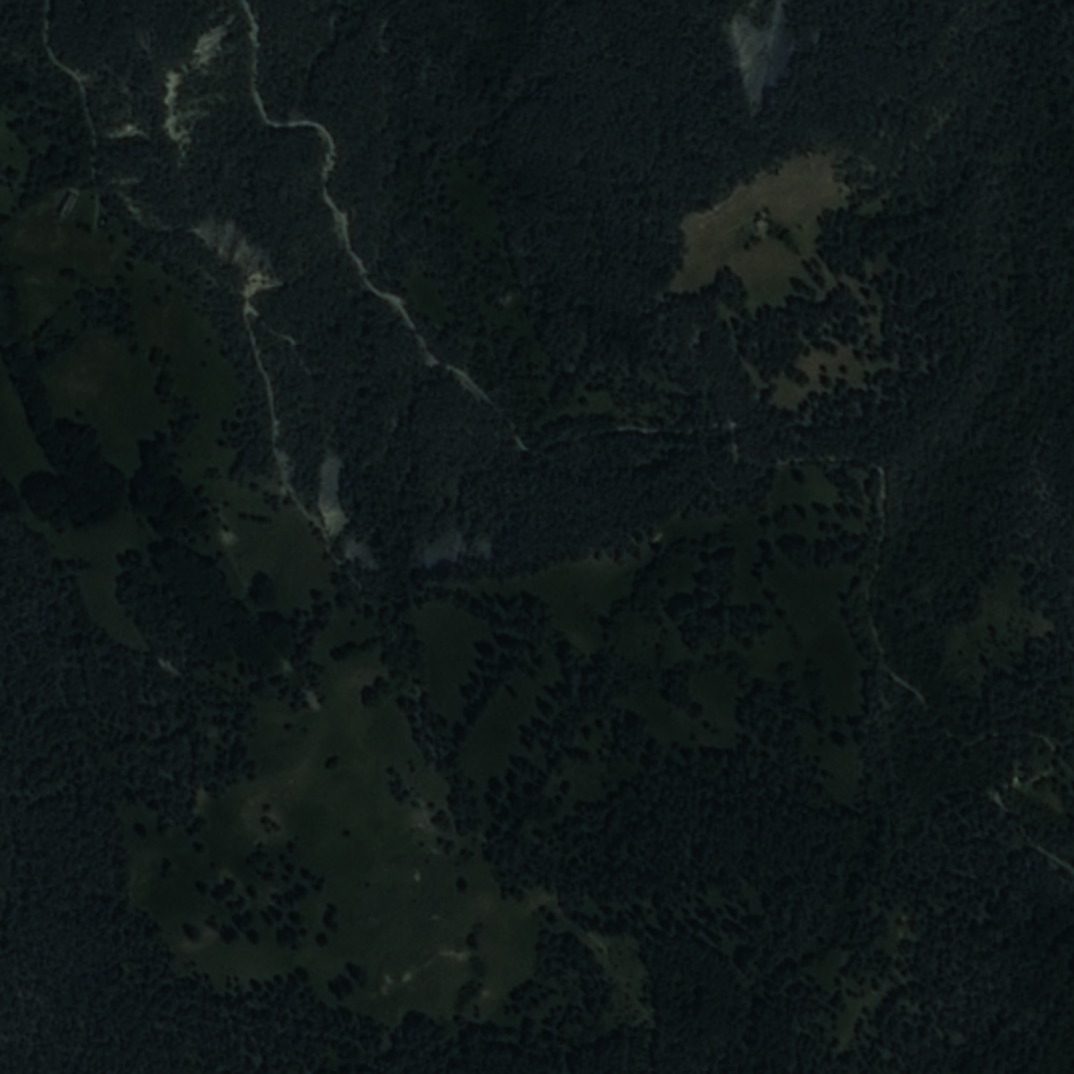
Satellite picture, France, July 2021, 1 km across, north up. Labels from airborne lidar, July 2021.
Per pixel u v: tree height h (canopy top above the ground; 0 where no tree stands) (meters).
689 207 9
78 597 9
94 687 13
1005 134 17
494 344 10
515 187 18
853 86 12
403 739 0
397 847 0
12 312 20
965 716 9
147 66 7
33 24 8
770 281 0
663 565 15
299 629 9
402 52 11
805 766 15
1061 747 8
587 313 16
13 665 18
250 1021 18
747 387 19
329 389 17
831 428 18
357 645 11
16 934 12
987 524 13
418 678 11
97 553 0
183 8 15
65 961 11
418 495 15
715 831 25
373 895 0
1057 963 21
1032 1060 16
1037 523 10
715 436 9
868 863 9
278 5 14
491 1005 0
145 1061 16
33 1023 8
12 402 0
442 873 0
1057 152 7
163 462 22
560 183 13
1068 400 10
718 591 11
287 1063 9
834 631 0
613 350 16
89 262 0
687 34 7
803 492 0
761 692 16
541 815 18
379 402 16
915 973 11
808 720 13
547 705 27
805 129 15
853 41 15
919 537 13
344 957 0
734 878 28
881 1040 12
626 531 14
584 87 14
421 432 13
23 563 17
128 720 6
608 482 20
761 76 0
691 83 10
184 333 0
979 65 15
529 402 9
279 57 11
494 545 6
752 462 13
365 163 11
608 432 13
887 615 6
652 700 0
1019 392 12
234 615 21
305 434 13
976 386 17
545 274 12
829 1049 8
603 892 30
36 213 0
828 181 0
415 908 0
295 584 0
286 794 0
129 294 7
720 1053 18
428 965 0
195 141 9
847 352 0
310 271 11
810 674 8
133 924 19
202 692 15
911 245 13
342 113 8
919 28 15
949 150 15
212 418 0
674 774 26
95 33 16
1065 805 7
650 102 13
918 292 20
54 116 13
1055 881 14
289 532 0
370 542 7
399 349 15
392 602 11
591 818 14
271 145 15
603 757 9
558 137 15
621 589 0
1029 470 9
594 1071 22
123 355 0
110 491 23
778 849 24
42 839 14
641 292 9
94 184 10
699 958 23
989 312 17
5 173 6
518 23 9
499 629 12
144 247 8
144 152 8
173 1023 19
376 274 13
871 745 17
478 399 12
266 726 0
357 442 14
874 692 10
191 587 20
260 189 12
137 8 9
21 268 6
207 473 6
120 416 0
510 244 13
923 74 11
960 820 10
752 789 25
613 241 15
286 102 13
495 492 14
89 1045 14
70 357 0
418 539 16
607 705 20
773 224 8
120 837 13
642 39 14
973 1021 15
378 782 0
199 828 11
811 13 6
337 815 0
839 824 23
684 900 11
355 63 15
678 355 15
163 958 12
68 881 20
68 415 0
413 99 10
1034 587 17
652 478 23
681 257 16
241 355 8
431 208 11
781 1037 16
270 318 14
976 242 14
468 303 13
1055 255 12
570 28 15
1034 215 7
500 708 0
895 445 17
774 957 27
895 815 11
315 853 0
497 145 14
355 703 0
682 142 15
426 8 8
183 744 16
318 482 8
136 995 16
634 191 16
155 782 14
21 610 7
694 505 11
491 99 6
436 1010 0
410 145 18
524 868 10
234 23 6
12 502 23
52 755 13
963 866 16
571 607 0
